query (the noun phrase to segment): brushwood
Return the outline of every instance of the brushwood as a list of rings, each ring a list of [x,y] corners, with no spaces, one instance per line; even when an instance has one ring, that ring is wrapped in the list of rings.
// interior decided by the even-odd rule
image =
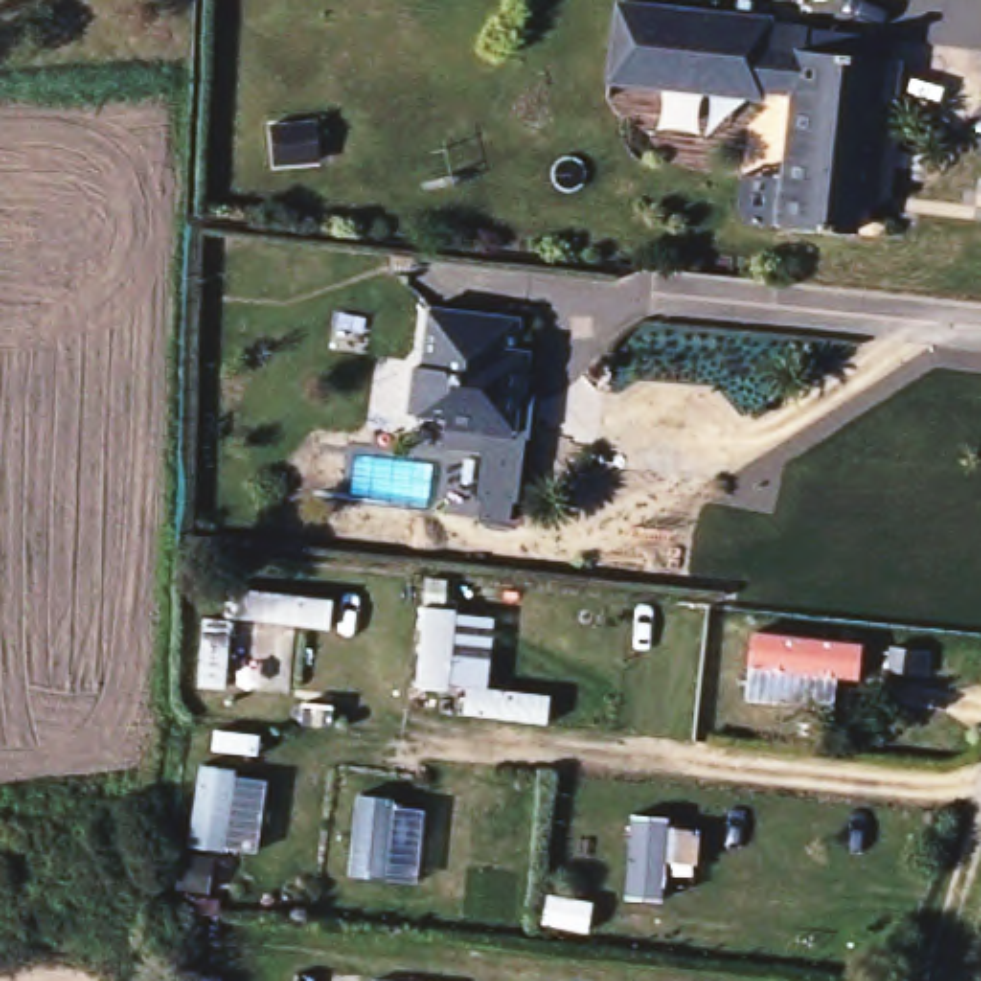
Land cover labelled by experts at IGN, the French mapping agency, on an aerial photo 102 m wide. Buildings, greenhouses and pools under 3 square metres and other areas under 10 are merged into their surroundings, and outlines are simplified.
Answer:
[[[272,353],[299,349],[307,341],[303,330],[287,330],[280,337],[257,337],[245,349],[245,368],[261,368],[264,360],[272,360]]]
[[[218,751],[211,747],[211,736],[230,732],[234,717],[218,709],[207,694],[207,717],[192,717],[180,701],[180,605],[195,602],[199,621],[218,621],[226,602],[234,598],[222,590],[230,582],[230,567],[222,552],[195,552],[199,540],[180,533],[188,513],[188,479],[195,475],[203,241],[226,241],[226,234],[245,234],[276,241],[314,241],[341,253],[364,245],[391,253],[579,276],[740,276],[732,261],[717,253],[709,203],[686,195],[667,195],[659,207],[663,215],[682,218],[682,234],[655,234],[628,257],[625,249],[617,249],[617,241],[598,241],[586,230],[559,230],[556,241],[540,241],[540,253],[529,253],[513,249],[513,226],[475,207],[425,203],[402,207],[395,215],[387,207],[322,203],[307,188],[245,192],[249,207],[241,207],[241,222],[215,218],[215,203],[203,199],[203,176],[215,0],[199,0],[180,11],[195,42],[192,57],[184,61],[126,57],[38,65],[42,50],[65,46],[84,34],[92,11],[84,8],[84,0],[0,0],[0,103],[19,100],[38,107],[107,107],[153,100],[169,115],[165,165],[184,172],[184,199],[176,207],[172,249],[165,525],[157,529],[153,571],[157,621],[149,709],[157,720],[157,763],[96,774],[107,793],[126,793],[126,809],[142,812],[176,847],[176,862],[169,870],[157,870],[157,897],[130,924],[130,950],[138,954],[134,981],[253,981],[249,935],[218,924],[222,912],[322,920],[341,927],[360,924],[483,935],[498,939],[510,954],[533,958],[628,962],[671,970],[732,966],[732,973],[793,970],[843,977],[843,962],[832,958],[694,947],[651,935],[625,935],[617,950],[598,950],[586,947],[579,931],[559,931],[544,924],[540,931],[525,931],[517,920],[475,924],[445,920],[437,912],[353,908],[337,901],[333,874],[307,874],[303,897],[287,897],[276,904],[234,901],[226,893],[226,881],[234,878],[241,855],[199,851],[192,835],[195,778],[203,766],[215,766]]]
[[[605,889],[605,862],[586,862],[571,855],[575,789],[582,766],[575,759],[510,763],[513,770],[556,774],[544,866],[567,878],[571,897],[586,901],[590,912],[598,920],[613,920],[617,904],[625,901],[625,897]]]
[[[468,575],[468,567],[475,563],[502,575],[559,579],[567,586],[636,582],[674,590],[736,590],[740,579],[697,575],[690,567],[690,575],[655,575],[636,567],[609,567],[602,563],[602,552],[582,552],[579,563],[559,563],[498,552],[410,548],[391,540],[337,536],[330,552],[341,556],[452,563],[452,575]]]
[[[820,253],[816,245],[801,241],[786,241],[766,280],[774,287],[812,280]]]
[[[828,759],[820,724],[809,736],[797,736],[717,720],[705,743],[774,759]]]
[[[674,157],[671,142],[659,146],[659,153],[644,153],[651,134],[636,119],[628,126],[628,153],[640,153],[644,169],[655,169],[659,161]]]
[[[889,740],[874,740],[858,763],[912,770],[981,770],[981,720],[962,724],[962,747],[912,747],[901,743],[901,728],[908,720],[893,724]]]
[[[717,153],[740,165],[763,146],[751,130],[724,138]]]
[[[364,353],[345,353],[330,368],[326,383],[341,395],[372,387],[379,364]]]
[[[970,855],[970,805],[947,801],[954,828],[927,828],[920,843],[908,839],[901,847],[901,874],[924,885],[924,908],[943,908],[950,870],[962,866]]]

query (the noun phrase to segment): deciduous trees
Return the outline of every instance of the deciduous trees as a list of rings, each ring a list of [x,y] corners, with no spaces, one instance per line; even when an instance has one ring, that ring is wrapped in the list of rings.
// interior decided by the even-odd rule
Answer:
[[[912,146],[912,153],[920,153],[927,165],[954,165],[966,149],[970,123],[939,100],[920,100],[908,88],[893,96],[893,111],[897,134]]]
[[[981,981],[981,924],[966,927],[950,908],[943,908],[924,908],[912,912],[912,920],[885,947],[870,947],[862,954],[862,970],[870,981]]]
[[[498,0],[498,8],[483,19],[475,34],[475,57],[487,65],[502,65],[517,38],[525,46],[540,42],[556,23],[559,0]]]
[[[881,686],[866,686],[858,678],[835,682],[832,705],[820,724],[828,759],[858,763],[874,740],[889,740],[893,724],[908,720],[893,694]]]
[[[579,460],[563,475],[563,498],[579,517],[602,510],[621,491],[613,445],[582,445]]]

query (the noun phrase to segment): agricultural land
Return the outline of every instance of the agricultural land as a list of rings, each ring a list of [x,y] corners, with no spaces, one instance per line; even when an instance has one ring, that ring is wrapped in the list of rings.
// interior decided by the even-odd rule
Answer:
[[[184,172],[165,165],[169,115],[153,100],[107,107],[38,107],[19,100],[0,103],[0,782],[96,774],[157,763],[157,720],[149,709],[157,621],[153,571],[157,529],[165,525],[172,249],[176,207],[184,199]]]
[[[57,966],[34,966],[15,977],[0,977],[0,981],[96,981],[84,970]]]

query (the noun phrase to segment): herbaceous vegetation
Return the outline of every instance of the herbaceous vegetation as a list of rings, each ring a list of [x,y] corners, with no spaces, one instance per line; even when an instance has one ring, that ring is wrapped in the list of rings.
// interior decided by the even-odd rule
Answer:
[[[927,724],[908,720],[901,728],[901,743],[912,747],[962,747],[962,724],[950,717],[947,705],[931,713]]]
[[[824,226],[816,238],[801,241],[816,245],[820,253],[812,280],[824,287],[870,287],[981,303],[981,215],[939,218],[904,211],[889,226],[866,222],[847,234]]]
[[[663,816],[671,820],[671,828],[697,835],[697,866],[690,878],[667,878],[659,904],[625,901],[617,904],[613,920],[598,920],[590,912],[590,931],[579,931],[586,947],[598,950],[617,950],[625,935],[651,935],[694,947],[832,958],[843,962],[843,977],[793,970],[732,973],[732,966],[671,970],[628,962],[533,958],[510,954],[498,939],[483,935],[360,924],[341,927],[322,920],[222,912],[218,924],[249,935],[253,981],[870,981],[862,970],[862,954],[870,947],[885,947],[912,920],[912,912],[924,908],[924,885],[901,874],[901,847],[908,839],[920,843],[927,828],[954,828],[947,801],[847,797],[786,786],[582,766],[575,789],[571,855],[586,862],[605,862],[605,889],[625,897],[632,816]]]
[[[425,763],[422,770],[395,766],[395,740],[468,740],[479,736],[491,720],[468,717],[456,694],[422,694],[414,686],[418,609],[429,579],[445,582],[452,613],[475,613],[494,621],[491,690],[548,697],[548,720],[559,732],[579,732],[590,740],[655,736],[678,743],[705,743],[717,720],[797,736],[809,736],[820,724],[832,705],[789,697],[782,705],[751,705],[743,697],[743,678],[751,636],[770,632],[858,644],[858,678],[866,686],[881,686],[893,671],[885,671],[885,651],[904,648],[912,636],[935,636],[935,644],[943,648],[943,674],[958,690],[981,690],[981,368],[931,368],[897,387],[893,395],[870,402],[828,437],[793,452],[782,468],[782,491],[770,513],[709,502],[697,513],[690,567],[697,575],[740,579],[736,590],[674,590],[636,582],[567,586],[559,579],[502,575],[475,563],[468,567],[468,575],[452,575],[452,563],[341,556],[330,552],[337,536],[330,521],[341,510],[330,498],[333,487],[326,479],[303,479],[291,460],[303,448],[303,441],[318,429],[353,433],[368,422],[372,387],[341,395],[326,383],[330,368],[345,353],[330,349],[330,330],[337,314],[364,318],[364,353],[379,364],[410,353],[414,314],[418,307],[425,307],[406,280],[395,280],[387,272],[391,253],[364,245],[341,253],[314,241],[276,241],[245,234],[226,234],[226,241],[203,241],[195,475],[188,479],[188,513],[180,533],[199,540],[195,552],[222,552],[230,567],[230,582],[222,590],[234,598],[257,590],[322,598],[330,602],[326,628],[295,628],[291,682],[284,694],[222,690],[199,690],[195,682],[199,621],[195,602],[180,605],[180,701],[192,717],[207,717],[207,694],[218,709],[234,717],[230,732],[257,736],[257,755],[218,751],[215,766],[238,778],[261,778],[268,789],[261,843],[253,855],[241,855],[234,878],[226,881],[226,893],[234,901],[276,904],[287,897],[303,897],[307,874],[333,874],[337,901],[353,908],[437,912],[445,920],[475,924],[517,920],[525,931],[540,931],[544,924],[548,897],[571,897],[567,878],[544,866],[556,774],[513,770],[510,763]],[[299,349],[272,353],[272,360],[264,360],[261,368],[245,368],[245,349],[257,337],[280,337],[287,330],[303,330],[307,341]],[[322,705],[330,705],[333,717],[349,724],[333,732],[299,724],[295,697],[303,686],[314,690]],[[422,870],[414,885],[349,878],[356,797],[383,797],[425,812]]]
[[[92,11],[84,34],[65,46],[42,50],[38,65],[126,57],[184,61],[192,57],[195,42],[180,11],[199,0],[84,0],[84,8]]]
[[[107,793],[96,774],[0,782],[0,977],[15,977],[34,966],[57,966],[84,970],[96,981],[134,981],[138,954],[130,950],[130,924],[157,897],[157,870],[169,870],[176,862],[176,847],[142,812],[126,809],[126,793]]]
[[[437,425],[418,425],[399,429],[399,460],[406,460],[414,448],[441,441]]]
[[[628,153],[628,126],[636,119],[609,115],[602,100],[605,84],[609,23],[625,0],[559,0],[556,23],[540,42],[525,46],[517,38],[502,65],[487,65],[475,57],[475,34],[483,19],[498,8],[498,0],[215,0],[203,176],[203,199],[215,203],[215,218],[241,222],[241,207],[249,207],[245,192],[307,188],[322,203],[387,207],[395,215],[402,207],[425,203],[475,207],[513,226],[513,249],[529,253],[540,253],[540,241],[556,241],[559,230],[586,230],[598,241],[617,241],[617,249],[625,249],[628,257],[655,234],[682,234],[682,218],[663,215],[659,207],[667,195],[686,195],[709,203],[717,253],[732,261],[740,276],[766,280],[786,241],[774,226],[766,226],[755,226],[740,215],[740,165],[717,153],[705,172],[682,169],[674,157],[659,161],[655,169],[644,169],[640,153]],[[341,153],[303,161],[303,169],[272,172],[272,134],[295,111],[337,111],[349,126],[345,146]],[[594,161],[594,180],[582,188],[567,184],[563,192],[556,192],[552,172],[559,172],[567,153],[586,153]]]
[[[954,165],[927,165],[920,153],[912,153],[912,199],[958,203],[966,192],[981,195],[981,153],[966,149]]]

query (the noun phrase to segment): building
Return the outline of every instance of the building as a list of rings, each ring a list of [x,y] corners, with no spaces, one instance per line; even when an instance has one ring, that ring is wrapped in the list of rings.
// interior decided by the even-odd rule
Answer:
[[[548,720],[548,697],[491,690],[494,621],[475,613],[452,613],[445,582],[429,579],[418,609],[414,686],[422,694],[456,694],[468,717],[491,720]]]
[[[199,690],[222,690],[230,632],[238,621],[295,628],[326,628],[330,602],[322,598],[257,590],[234,598],[226,602],[218,621],[199,621],[195,682]]]
[[[337,111],[295,111],[272,134],[272,172],[303,169],[303,161],[341,153],[345,146],[349,126]]]
[[[475,517],[491,529],[513,529],[521,521],[513,517],[513,502],[529,506],[529,491],[540,479],[548,479],[552,468],[571,383],[571,333],[556,322],[556,310],[548,303],[491,291],[441,295],[429,310],[433,326],[422,330],[425,360],[410,379],[410,414],[418,418],[418,425],[437,425],[441,441],[471,456],[468,464],[460,464],[460,479],[468,483],[464,517]]]
[[[333,717],[330,705],[322,705],[314,690],[303,686],[295,697],[299,724],[333,732],[349,724]]]
[[[579,931],[590,931],[590,912],[586,901],[571,897],[548,897],[544,924],[559,931]]]
[[[835,682],[858,678],[858,644],[770,632],[751,636],[743,678],[743,697],[751,705],[782,705],[789,697],[832,705]]]
[[[697,835],[671,828],[671,820],[663,816],[632,816],[625,897],[625,901],[659,904],[667,878],[690,878],[697,866]]]
[[[908,19],[904,0],[625,0],[609,23],[605,84],[621,92],[713,92],[759,107],[766,96],[786,96],[786,153],[770,165],[774,180],[766,226],[774,226],[786,241],[801,241],[816,238],[824,226],[847,234],[866,222],[889,226],[904,211],[904,203],[912,199],[912,153],[912,146],[897,134],[893,111],[893,96],[908,88],[908,80],[924,80],[935,65],[927,34],[939,23],[939,11]]]
[[[230,732],[211,736],[211,747],[218,751],[257,755],[257,736]]]
[[[414,885],[422,870],[425,812],[383,797],[356,797],[349,878]]]
[[[904,671],[904,648],[885,651],[885,671],[893,671]]]
[[[192,835],[199,851],[241,855],[253,855],[261,843],[268,789],[261,778],[238,778],[215,766],[203,766],[195,778]]]

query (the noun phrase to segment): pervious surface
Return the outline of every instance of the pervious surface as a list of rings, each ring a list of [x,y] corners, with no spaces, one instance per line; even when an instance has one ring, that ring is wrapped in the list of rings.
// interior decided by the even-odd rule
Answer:
[[[602,510],[579,517],[559,525],[521,521],[513,529],[491,529],[475,517],[464,517],[441,513],[422,521],[422,510],[395,510],[372,502],[341,510],[330,521],[337,536],[391,540],[410,548],[498,552],[559,563],[579,563],[582,552],[602,552],[602,563],[609,567],[636,567],[655,575],[690,575],[690,567],[697,513],[709,502],[720,487],[720,471],[751,464],[766,448],[789,441],[793,433],[816,422],[797,395],[782,406],[770,414],[740,414],[720,391],[701,383],[640,379],[625,391],[613,391],[605,376],[571,383],[552,468],[563,475],[579,460],[582,445],[613,445],[621,491]]]
[[[950,908],[966,927],[981,924],[981,770],[912,770],[858,763],[828,759],[774,759],[705,743],[678,743],[655,736],[590,740],[579,732],[559,732],[548,720],[491,720],[479,736],[468,740],[395,740],[395,766],[422,770],[425,763],[510,763],[575,759],[582,766],[786,786],[847,797],[947,801],[970,805],[970,855],[962,866],[950,870],[943,908]]]
[[[943,648],[935,644],[935,636],[912,636],[904,648],[904,671],[893,671],[881,686],[893,694],[908,720],[927,724],[931,713],[947,705],[950,717],[962,724],[981,720],[981,690],[958,690],[943,674]]]
[[[318,429],[303,441],[303,448],[291,460],[303,479],[326,479],[333,487],[341,483],[353,433]]]

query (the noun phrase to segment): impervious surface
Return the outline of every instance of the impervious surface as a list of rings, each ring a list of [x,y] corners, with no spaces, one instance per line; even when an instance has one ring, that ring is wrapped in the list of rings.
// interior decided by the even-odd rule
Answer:
[[[981,195],[966,192],[958,203],[912,199],[904,203],[904,211],[939,218],[981,215]]]
[[[548,303],[556,310],[556,322],[571,333],[571,383],[605,376],[613,391],[625,391],[640,379],[701,383],[720,391],[740,414],[770,414],[782,406],[770,387],[782,356],[797,356],[805,379],[812,383],[797,395],[816,422],[793,433],[789,441],[766,448],[751,464],[720,471],[720,487],[709,502],[770,513],[782,491],[782,468],[793,452],[828,437],[870,402],[893,395],[897,387],[931,368],[981,368],[981,303],[870,287],[824,287],[812,280],[774,287],[766,280],[740,276],[579,276],[391,253],[387,272],[395,280],[406,280],[425,307],[418,307],[414,314],[410,353],[379,364],[372,387],[368,422],[353,433],[341,483],[333,487],[330,498],[341,510],[372,502],[395,510],[422,510],[422,521],[441,513],[464,517],[468,483],[460,479],[460,464],[468,464],[471,456],[441,441],[414,448],[406,460],[429,468],[425,502],[410,502],[376,491],[353,491],[356,460],[399,460],[399,429],[418,425],[418,418],[410,414],[410,379],[425,360],[422,330],[433,326],[429,310],[441,295],[491,291]]]
[[[766,226],[774,180],[770,165],[786,153],[786,96],[766,96],[759,107],[713,92],[621,92],[605,84],[602,100],[609,115],[636,119],[651,134],[644,153],[659,153],[659,146],[671,142],[674,157],[682,169],[705,172],[717,153],[724,138],[751,130],[763,146],[740,165],[740,215],[755,226]]]
[[[337,314],[330,330],[330,349],[345,353],[364,353],[364,318]]]
[[[939,23],[927,34],[935,65],[924,80],[908,80],[908,88],[920,100],[939,100],[970,123],[966,149],[981,153],[981,0],[904,0],[908,19],[939,11]]]
[[[559,172],[552,172],[556,192],[563,192],[567,184],[582,188],[594,180],[594,161],[586,153],[567,153]]]
[[[238,621],[230,632],[222,690],[284,694],[291,682],[295,628]]]

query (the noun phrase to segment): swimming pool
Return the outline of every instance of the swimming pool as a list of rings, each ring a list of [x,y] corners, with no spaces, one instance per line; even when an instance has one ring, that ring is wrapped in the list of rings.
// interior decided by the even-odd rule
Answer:
[[[399,460],[356,460],[353,491],[376,491],[410,502],[425,502],[429,468],[406,460]]]

